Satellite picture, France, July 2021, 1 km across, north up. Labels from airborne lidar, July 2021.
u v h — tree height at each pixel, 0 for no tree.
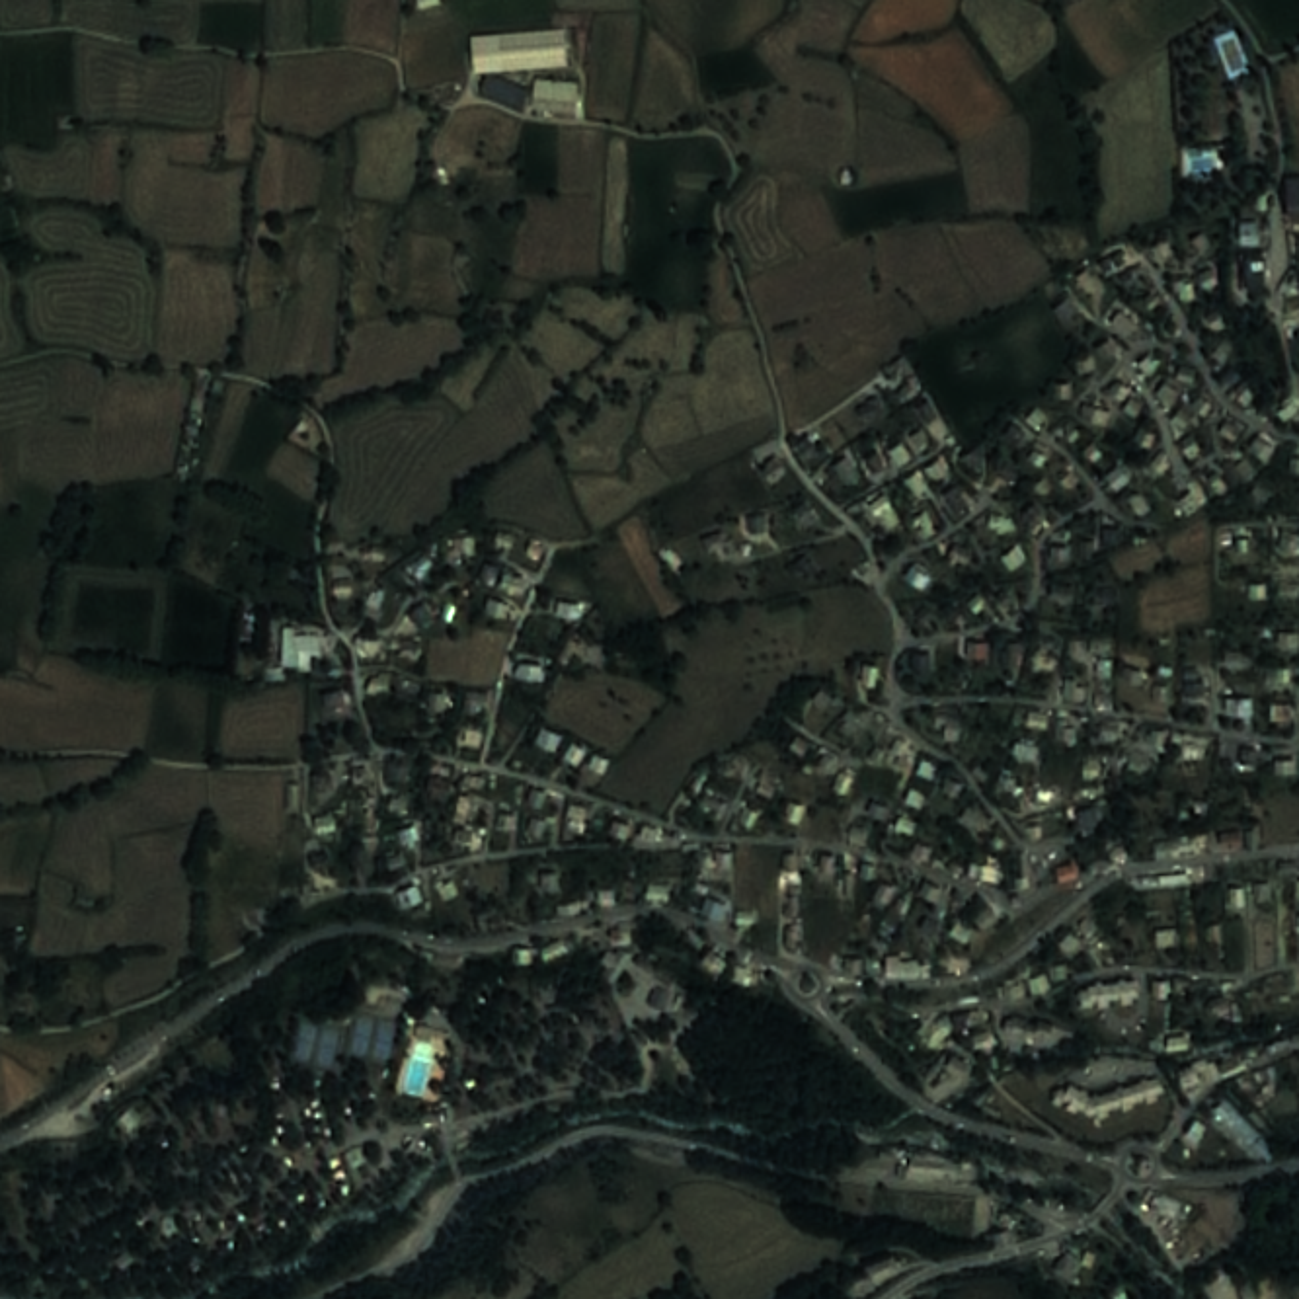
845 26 0
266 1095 11
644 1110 11
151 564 0
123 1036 0
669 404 0
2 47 0
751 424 0
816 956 0
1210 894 8
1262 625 8
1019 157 0
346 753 0
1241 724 8
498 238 0
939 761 6
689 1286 12
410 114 0
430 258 0
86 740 0
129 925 0
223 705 0
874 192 0
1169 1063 11
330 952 13
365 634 9
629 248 0
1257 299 16
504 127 0
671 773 0
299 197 0
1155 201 0
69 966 9
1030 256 0
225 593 8
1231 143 11
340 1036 0
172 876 0
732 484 0
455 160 0
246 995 9
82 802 11
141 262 0
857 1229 14
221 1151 11
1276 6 0
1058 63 9
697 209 0
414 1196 0
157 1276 12
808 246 0
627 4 0
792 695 11
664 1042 11
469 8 0
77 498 15
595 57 0
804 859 0
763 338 0
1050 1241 0
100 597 0
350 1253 12
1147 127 0
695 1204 0
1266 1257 26
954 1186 0
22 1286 17
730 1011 21
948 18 0
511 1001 13
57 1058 0
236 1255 8
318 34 0
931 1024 0
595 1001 7
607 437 0
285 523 0
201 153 0
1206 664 0
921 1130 0
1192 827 12
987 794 7
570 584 0
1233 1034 13
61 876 0
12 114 0
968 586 7
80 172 0
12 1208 0
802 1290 16
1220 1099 7
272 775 0
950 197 0
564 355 0
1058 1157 0
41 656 0
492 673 0
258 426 0
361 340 0
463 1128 0
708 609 13
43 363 0
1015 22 0
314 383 10
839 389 0
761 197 0
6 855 0
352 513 0
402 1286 9
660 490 0
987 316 8
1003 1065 8
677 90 0
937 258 0
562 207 0
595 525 0
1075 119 14
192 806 0
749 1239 0
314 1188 11
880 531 6
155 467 0
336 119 0
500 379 0
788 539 0
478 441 0
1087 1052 21
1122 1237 0
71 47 0
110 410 0
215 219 0
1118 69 0
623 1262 0
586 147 0
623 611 0
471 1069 13
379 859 8
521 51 0
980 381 0
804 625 0
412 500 0
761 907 0
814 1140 21
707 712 0
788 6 0
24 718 0
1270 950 0
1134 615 0
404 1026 10
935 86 0
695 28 0
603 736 0
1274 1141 11
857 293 0
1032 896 0
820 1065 20
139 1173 14
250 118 0
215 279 0
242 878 0
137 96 0
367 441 0
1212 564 0
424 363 0
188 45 0
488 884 0
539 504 0
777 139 0
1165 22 0
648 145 0
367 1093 11
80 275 0
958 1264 0
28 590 0
